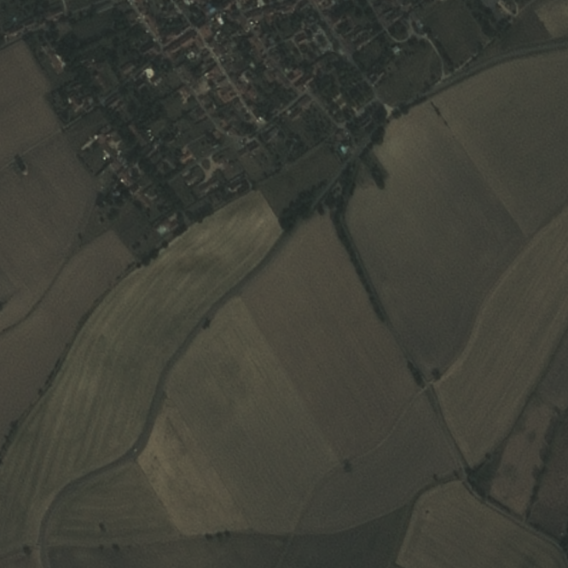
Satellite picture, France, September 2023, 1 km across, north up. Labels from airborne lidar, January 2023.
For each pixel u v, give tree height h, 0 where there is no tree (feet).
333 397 0
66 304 0
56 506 0
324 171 0
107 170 0
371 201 0
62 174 0
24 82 0
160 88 0
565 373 0
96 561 0
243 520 0
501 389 0
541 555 0
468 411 0
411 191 0
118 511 0
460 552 0
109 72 0
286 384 0
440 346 0
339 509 0
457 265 0
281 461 0
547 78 0
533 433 0
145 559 0
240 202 0
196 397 0
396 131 0
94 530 0
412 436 0
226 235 0
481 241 0
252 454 0
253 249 0
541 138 0
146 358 0
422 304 0
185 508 0
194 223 0
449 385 0
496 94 0
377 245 0
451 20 0
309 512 0
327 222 0
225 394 0
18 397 0
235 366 0
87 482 0
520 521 0
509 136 0
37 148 0
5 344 0
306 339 0
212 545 0
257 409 0
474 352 0
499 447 0
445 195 0
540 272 0
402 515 0
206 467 0
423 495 0
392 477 0
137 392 0
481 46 39
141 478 0
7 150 0
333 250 0
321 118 21
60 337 0
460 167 0
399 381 0
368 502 0
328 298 0
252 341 0
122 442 0
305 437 0
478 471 45
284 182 0
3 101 0
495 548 0
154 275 0
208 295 0
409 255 0
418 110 0
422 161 0
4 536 0
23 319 0
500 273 0
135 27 35
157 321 0
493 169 0
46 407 0
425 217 0
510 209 0
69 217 0
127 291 0
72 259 0
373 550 0
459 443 0
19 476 0
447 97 0
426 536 0
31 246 0
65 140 0
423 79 0
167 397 0
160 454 0
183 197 0
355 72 48
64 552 0
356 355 0
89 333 0
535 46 0
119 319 0
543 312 0
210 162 0
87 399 0
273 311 0
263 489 0
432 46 0
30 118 0
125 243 0
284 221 35
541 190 0
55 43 42
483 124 0
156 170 24
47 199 0
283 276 0
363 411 0
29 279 0
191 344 0
